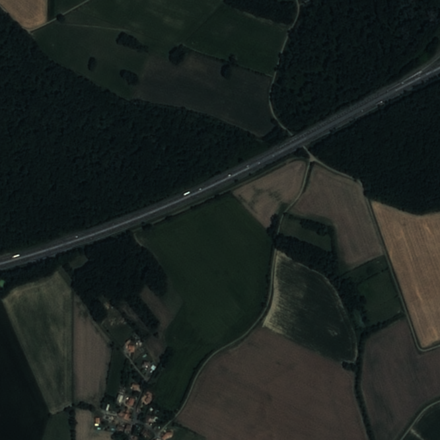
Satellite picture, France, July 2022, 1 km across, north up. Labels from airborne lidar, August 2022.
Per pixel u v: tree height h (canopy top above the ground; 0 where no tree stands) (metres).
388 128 19
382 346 0
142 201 16
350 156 19
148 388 19
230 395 0
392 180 18
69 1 0
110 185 23
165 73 0
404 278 0
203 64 0
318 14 15
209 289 0
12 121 16
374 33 18
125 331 0
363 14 20
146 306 8
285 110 17
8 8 0
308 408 0
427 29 19
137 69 0
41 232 19
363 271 0
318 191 0
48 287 0
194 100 0
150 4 0
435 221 0
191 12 0
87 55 0
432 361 0
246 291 0
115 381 0
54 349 0
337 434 0
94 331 0
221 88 0
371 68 17
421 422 0
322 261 17
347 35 19
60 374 0
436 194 14
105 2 0
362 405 9
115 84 0
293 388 0
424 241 0
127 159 23
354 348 0
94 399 0
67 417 0
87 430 0
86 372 0
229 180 0
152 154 21
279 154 0
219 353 0
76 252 16
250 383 0
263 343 0
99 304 25
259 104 0
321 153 17
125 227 0
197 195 0
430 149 22
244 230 0
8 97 16
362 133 19
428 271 0
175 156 21
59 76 21
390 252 0
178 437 0
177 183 17
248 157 0
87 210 21
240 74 0
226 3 14
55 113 20
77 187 19
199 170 20
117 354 0
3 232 19
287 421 0
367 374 0
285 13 21
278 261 0
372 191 16
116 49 0
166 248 0
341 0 20
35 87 20
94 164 16
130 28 0
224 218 0
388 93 0
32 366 0
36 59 20
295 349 0
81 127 8
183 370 0
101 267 22
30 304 0
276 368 0
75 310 0
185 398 9
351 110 0
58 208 21
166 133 15
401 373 0
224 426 0
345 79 20
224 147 17
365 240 0
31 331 0
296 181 0
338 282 21
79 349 0
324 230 19
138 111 18
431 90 19
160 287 26
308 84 17
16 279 21
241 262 0
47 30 0
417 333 0
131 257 26
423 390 0
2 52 16
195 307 0
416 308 0
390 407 0
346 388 0
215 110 0
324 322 0
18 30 13
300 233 0
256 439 0
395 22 22
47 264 23
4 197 18
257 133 0
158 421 7
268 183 0
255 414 0
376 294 0
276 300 0
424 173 19
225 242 0
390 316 0
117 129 21
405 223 0
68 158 16
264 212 0
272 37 0
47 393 0
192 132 19
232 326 0
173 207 0
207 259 0
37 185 22
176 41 0
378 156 22
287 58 18
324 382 0
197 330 0
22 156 21
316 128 0
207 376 0
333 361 0
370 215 0
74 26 0
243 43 0
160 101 0
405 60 21
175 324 0
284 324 0
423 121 21
